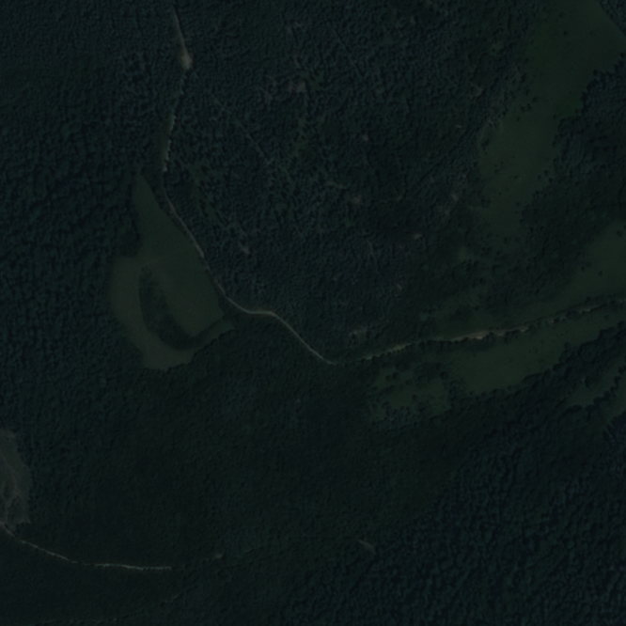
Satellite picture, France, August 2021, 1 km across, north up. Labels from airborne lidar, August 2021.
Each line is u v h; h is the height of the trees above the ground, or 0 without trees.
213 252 17
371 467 11
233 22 15
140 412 15
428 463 22
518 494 24
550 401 26
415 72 17
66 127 26
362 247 24
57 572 13
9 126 21
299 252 17
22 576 10
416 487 17
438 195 15
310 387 15
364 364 17
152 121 16
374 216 16
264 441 21
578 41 0
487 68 18
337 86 24
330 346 12
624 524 22
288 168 20
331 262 16
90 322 12
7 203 12
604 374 16
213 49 15
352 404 13
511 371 0
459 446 19
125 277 0
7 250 21
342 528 18
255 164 18
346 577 27
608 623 17
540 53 0
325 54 20
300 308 17
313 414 16
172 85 22
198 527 17
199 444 15
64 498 9
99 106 18
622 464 26
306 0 14
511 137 0
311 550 27
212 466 16
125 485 16
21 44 19
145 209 0
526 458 22
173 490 20
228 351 16
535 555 24
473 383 0
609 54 0
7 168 22
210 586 22
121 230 18
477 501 26
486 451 22
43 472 11
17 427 14
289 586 19
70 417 13
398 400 0
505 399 9
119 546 12
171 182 19
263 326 12
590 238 10
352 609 12
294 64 11
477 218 7
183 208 15
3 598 12
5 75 12
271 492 22
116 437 14
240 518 13
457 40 10
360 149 20
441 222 22
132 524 12
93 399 18
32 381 11
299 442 14
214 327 6
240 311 9
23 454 15
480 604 19
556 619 16
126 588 11
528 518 28
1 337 17
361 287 18
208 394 15
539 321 7
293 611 23
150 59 22
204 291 0
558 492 24
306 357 12
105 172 26
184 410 12
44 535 11
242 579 20
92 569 12
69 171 12
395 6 20
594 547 16
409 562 22
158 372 6
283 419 14
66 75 20
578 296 0
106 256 18
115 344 14
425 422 12
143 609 18
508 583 21
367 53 24
